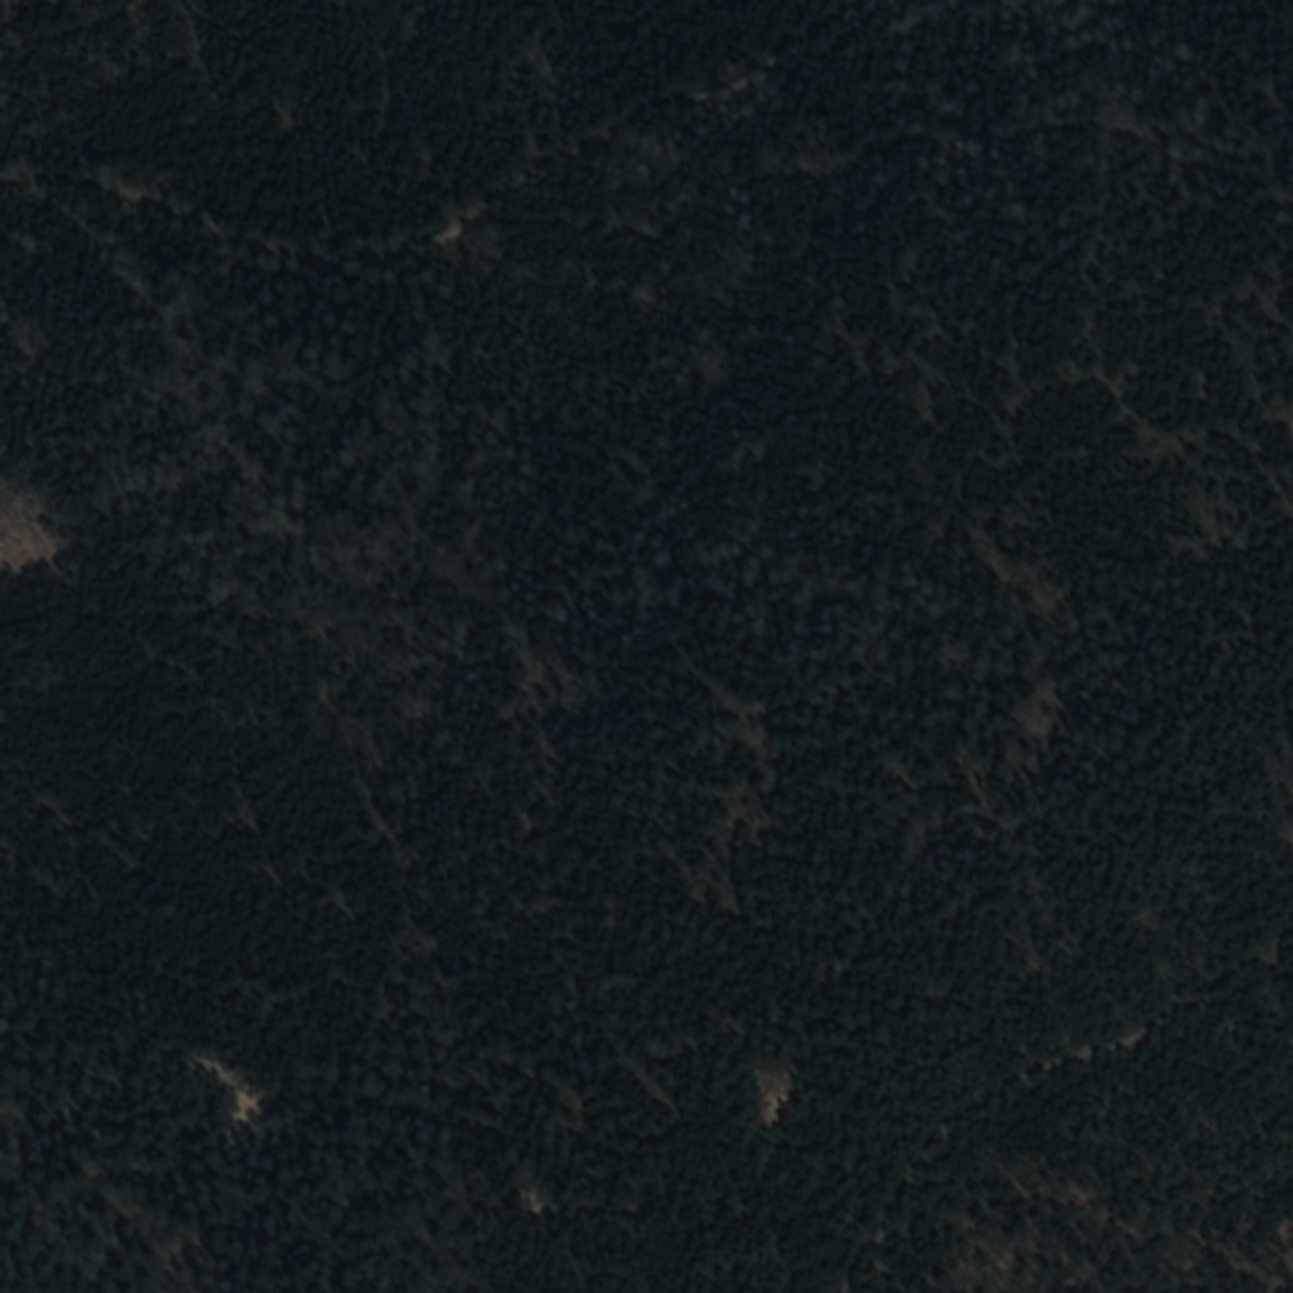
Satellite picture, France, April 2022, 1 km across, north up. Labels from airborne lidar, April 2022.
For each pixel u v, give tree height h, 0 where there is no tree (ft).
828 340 56
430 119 78
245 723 60
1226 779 61
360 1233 103
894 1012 48
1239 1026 74
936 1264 94
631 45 76
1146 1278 83
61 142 22
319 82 59
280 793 39
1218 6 72
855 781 43
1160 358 40
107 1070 57
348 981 34
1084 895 87
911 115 49
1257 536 41
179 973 47
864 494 65
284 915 55
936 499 49
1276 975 71
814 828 58
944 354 25
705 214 48
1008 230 46
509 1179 42
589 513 40
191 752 55
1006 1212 99
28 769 47
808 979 44
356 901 66
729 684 44
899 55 38
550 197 38
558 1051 36
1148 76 45
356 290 65
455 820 46
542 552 73
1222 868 81
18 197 43
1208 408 45
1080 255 37
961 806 48
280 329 142
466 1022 63
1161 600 63
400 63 52
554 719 31
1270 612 50
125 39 30
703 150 54
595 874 35
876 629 99
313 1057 51
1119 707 78
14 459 57
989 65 73
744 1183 59
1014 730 135
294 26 68
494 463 54
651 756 56
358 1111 19
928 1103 73
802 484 48
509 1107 36
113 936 73
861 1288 76
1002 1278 99
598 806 31
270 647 34
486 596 36
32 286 39
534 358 60
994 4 65
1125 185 35
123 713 37
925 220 44
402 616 37
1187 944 88
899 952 53
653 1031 51
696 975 34
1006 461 70
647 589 101
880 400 38
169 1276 50
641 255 37
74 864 30
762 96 42
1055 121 109
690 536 47
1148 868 71
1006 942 37
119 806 50
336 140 32
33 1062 28
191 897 54
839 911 54
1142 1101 47
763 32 59
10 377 53
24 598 62
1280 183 40
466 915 39
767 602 20
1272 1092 84
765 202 44
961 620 48
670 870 37
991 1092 73
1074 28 86
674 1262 48
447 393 31
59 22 56
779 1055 31
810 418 58
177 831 43
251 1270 54
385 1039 27
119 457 56
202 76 49
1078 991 54
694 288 57
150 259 58
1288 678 82
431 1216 130
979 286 35
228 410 59
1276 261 38
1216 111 87
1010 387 52
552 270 28
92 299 42
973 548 68
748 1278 55
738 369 50
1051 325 42
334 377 111
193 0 50
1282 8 60
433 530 60
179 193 56
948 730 45
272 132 41
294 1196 72
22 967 68
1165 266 27
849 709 44
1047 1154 75
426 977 41
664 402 19
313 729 43
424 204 50
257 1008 46
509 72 58
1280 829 43
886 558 59
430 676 63
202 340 80
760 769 61
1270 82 73
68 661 40
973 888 42
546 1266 65
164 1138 101
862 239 37
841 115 41
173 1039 60
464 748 30
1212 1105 81
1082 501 51
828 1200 47
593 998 74
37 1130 36
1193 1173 67
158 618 47
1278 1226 82
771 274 62
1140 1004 59
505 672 48
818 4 63
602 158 53
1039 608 99
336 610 36
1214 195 28
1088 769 73
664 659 37
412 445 64
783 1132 42
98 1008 59
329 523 51
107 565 63
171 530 42
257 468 56
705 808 34
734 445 39
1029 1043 93
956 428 38
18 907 30
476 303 41
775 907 40
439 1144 63
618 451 83
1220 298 35
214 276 64
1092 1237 88
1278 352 46
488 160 39
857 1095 62
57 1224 90
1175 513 43
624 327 53
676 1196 52
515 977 42
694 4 71
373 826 31
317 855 31
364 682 37
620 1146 32
